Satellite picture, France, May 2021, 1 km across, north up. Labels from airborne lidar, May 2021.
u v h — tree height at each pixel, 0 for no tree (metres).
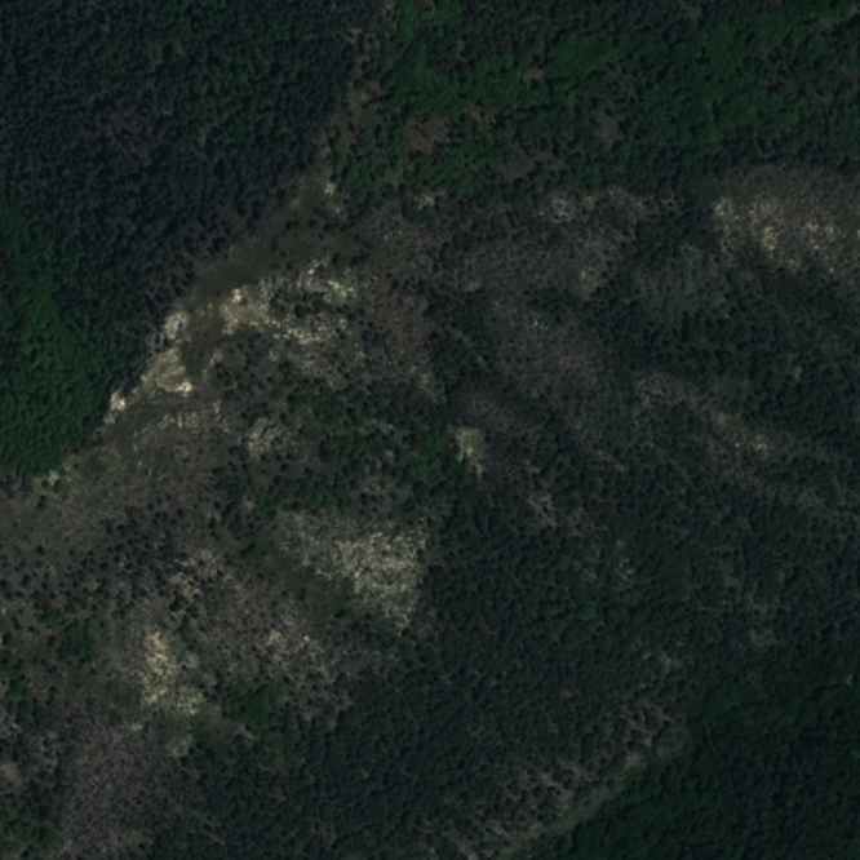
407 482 21
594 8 32
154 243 26
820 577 17
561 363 22
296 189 12
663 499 22
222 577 22
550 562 22
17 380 19
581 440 18
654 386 12
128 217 21
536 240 24
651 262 22
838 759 19
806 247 14
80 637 23
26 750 26
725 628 24
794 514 24
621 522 27
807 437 22
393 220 14
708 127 32
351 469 17
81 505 23
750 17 24
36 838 23
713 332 31
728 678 16
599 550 18
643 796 24
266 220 12
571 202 19
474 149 32
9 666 24
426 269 20
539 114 32
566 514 20
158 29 22
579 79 32
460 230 26
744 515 21
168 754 21
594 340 22
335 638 24
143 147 31
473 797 26
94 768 29
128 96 19
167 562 20
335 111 22
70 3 27
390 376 23
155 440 0
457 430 13
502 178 25
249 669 11
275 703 22
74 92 26
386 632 7
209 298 0
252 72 25
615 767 21
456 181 24
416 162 22
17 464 9
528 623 26
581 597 26
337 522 18
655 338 25
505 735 17
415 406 20
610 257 19
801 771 21
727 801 18
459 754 27
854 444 31
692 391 17
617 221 20
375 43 13
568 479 17
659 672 21
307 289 12
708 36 35
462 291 21
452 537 31
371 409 22
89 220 24
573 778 21
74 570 16
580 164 23
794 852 32
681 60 31
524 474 22
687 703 26
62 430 14
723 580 17
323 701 22
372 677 25
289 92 22
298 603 11
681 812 31
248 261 0
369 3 20
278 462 16
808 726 22
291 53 24
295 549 20
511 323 27
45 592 8
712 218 21
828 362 22
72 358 13
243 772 17
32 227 16
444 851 19
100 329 13
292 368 12
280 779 21
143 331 8
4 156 23
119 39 17
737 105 29
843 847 22
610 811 21
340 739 24
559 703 24
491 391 25
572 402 27
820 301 23
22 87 23
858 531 16
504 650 23
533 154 21
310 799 26
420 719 24
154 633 11
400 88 27
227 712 18
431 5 22
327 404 18
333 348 12
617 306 30
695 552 22
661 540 23
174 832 28
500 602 23
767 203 11
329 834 12
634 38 29
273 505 18
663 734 19
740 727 28
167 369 0
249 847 41
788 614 23
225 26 27
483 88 33
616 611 26
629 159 18
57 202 22
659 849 28
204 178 27
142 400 0
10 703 14
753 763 30
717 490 19
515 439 18
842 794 22
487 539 26
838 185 19
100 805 27
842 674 18
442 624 26
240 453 22
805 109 16
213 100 30
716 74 33
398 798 32
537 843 8
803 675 19
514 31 16
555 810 18
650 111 23
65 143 15
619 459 18
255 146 23
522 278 24
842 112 23
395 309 25
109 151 21
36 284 17
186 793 32
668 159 22
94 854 33
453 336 24
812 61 19
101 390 7
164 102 22
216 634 12
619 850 32
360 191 23
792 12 23
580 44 32
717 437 17
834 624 23
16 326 13
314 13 11
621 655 21
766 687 17
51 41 16
